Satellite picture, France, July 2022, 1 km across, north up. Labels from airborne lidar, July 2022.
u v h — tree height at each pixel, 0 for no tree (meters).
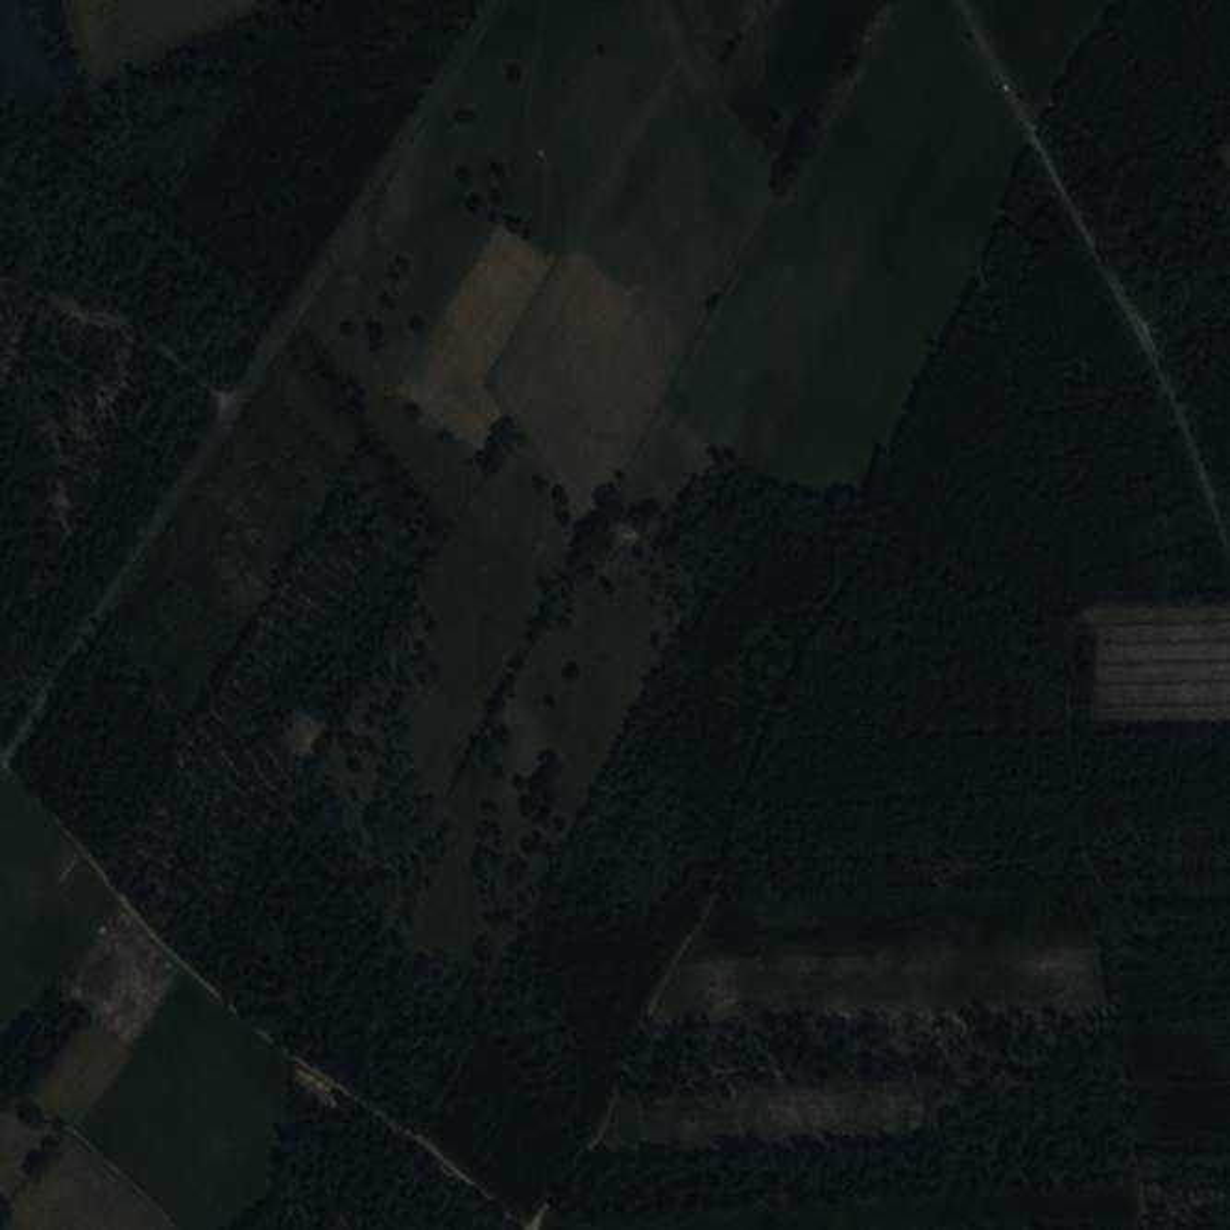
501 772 13
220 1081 0
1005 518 16
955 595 15
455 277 0
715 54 0
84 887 0
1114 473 16
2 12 0
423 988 26
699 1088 14
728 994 0
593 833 12
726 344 0
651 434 0
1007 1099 19
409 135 0
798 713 21
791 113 0
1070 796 21
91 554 24
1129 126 18
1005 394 17
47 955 0
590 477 0
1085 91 17
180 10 0
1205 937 18
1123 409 18
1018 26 0
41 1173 13
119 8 0
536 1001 10
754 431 0
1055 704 19
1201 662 0
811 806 22
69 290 18
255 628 15
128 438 22
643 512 15
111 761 27
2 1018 0
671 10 0
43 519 16
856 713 20
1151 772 17
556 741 0
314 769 18
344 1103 18
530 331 0
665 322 0
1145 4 16
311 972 14
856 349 0
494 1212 25
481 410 0
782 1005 0
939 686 19
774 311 0
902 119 0
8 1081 22
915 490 16
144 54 0
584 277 0
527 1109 7
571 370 0
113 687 21
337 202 8
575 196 0
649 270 0
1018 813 23
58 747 11
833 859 19
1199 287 7
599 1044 7
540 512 0
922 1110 0
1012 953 0
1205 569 19
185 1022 0
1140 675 0
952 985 0
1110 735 17
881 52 0
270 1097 0
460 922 0
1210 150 18
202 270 7
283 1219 27
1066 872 22
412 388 0
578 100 0
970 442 17
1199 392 19
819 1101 0
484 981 6
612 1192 18
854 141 0
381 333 19
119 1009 0
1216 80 18
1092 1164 13
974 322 16
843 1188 29
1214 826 18
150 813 23
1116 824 21
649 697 12
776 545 14
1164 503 17
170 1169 0
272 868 17
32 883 0
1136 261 15
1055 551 14
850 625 19
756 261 0
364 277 0
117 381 17
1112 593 13
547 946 7
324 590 15
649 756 16
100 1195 0
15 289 6
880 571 16
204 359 12
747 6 0
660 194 0
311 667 11
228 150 7
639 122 0
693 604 15
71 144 14
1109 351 19
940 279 0
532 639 15
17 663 21
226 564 0
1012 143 0
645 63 0
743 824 15
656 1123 0
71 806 20
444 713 0
